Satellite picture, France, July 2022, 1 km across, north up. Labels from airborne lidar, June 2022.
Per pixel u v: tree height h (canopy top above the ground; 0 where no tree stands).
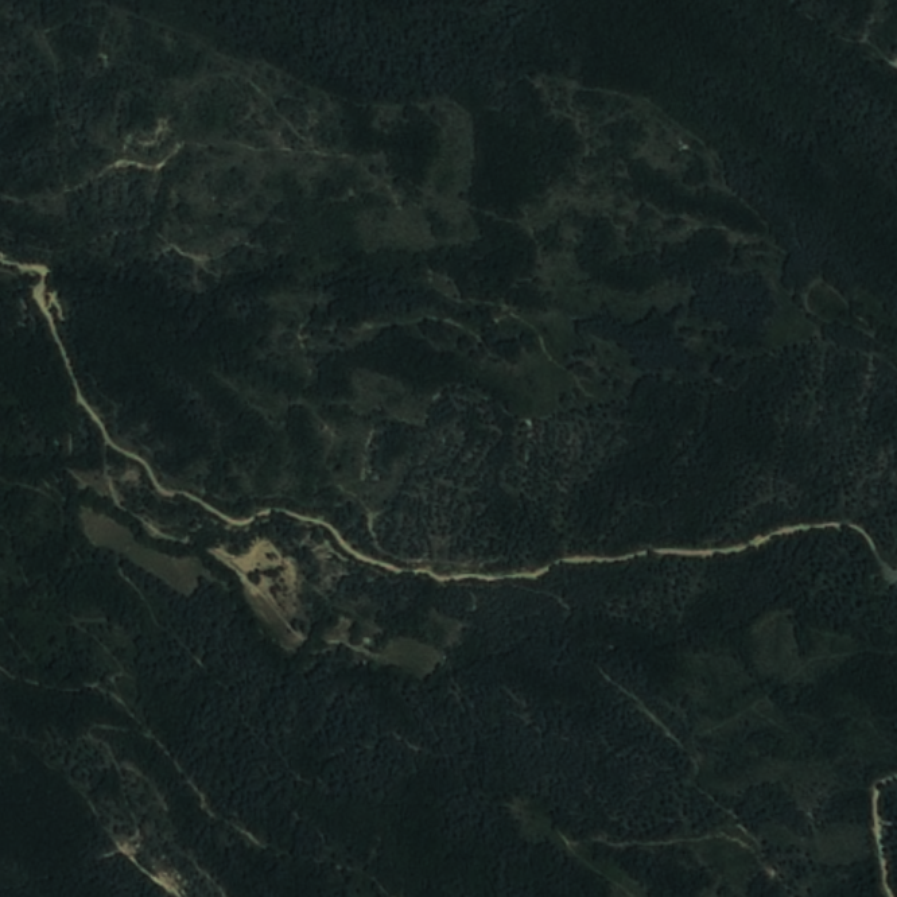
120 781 10
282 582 6
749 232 13
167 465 7
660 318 13
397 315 9
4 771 6
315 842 15
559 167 6
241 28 14
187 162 6
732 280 13
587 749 13
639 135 7
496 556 11
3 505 8
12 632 13
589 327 13
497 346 13
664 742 10
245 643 9
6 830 10
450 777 14
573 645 13
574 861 14
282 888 8
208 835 13
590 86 8
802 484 9
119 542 0
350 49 11
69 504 12
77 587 13
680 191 8
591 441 9
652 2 15
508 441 8
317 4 8
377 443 9
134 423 6
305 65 7
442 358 10
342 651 14
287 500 6
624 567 9
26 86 8
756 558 9
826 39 11
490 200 6
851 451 13
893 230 12
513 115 9
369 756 15
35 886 7
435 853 14
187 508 15
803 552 15
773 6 9
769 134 14
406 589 10
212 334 11
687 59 9
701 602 8
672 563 12
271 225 6
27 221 8
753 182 10
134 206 9
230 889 7
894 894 8
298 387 9
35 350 15
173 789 13
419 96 10
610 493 11
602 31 13
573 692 8
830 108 7
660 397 7
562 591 8
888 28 9
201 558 8
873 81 12
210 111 7
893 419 10
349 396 8
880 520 13
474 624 7
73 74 7
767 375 8
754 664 6
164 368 8
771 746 8
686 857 12
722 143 7
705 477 10
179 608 15
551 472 13
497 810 6
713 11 7
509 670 9
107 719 10
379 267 7
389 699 14
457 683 7
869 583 11
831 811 6
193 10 8
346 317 7
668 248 9
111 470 6
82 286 12
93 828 12
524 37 9
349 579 11
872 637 11
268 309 10
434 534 12
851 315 10
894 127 10
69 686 16
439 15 8
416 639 10
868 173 7
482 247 9
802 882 15
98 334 7
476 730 14
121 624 9
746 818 17
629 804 12
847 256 8
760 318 14
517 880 10
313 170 0
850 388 7
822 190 11
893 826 5
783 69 9
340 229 5
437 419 10
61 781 9
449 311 12
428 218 6
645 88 10
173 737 13
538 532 13
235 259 6
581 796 12
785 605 8
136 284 13
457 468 10
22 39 9
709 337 9
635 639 12
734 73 11
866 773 6
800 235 12
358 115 7
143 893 10
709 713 8
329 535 9
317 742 12
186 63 8
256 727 7
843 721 6
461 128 0
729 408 11
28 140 9
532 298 7
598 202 0
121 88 6
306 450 6
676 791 12
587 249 7
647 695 9
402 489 8
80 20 7
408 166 6
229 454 9
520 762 13
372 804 11
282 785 12
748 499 13
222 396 7
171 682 7
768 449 10
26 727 6
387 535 8
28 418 11
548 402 0
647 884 15
